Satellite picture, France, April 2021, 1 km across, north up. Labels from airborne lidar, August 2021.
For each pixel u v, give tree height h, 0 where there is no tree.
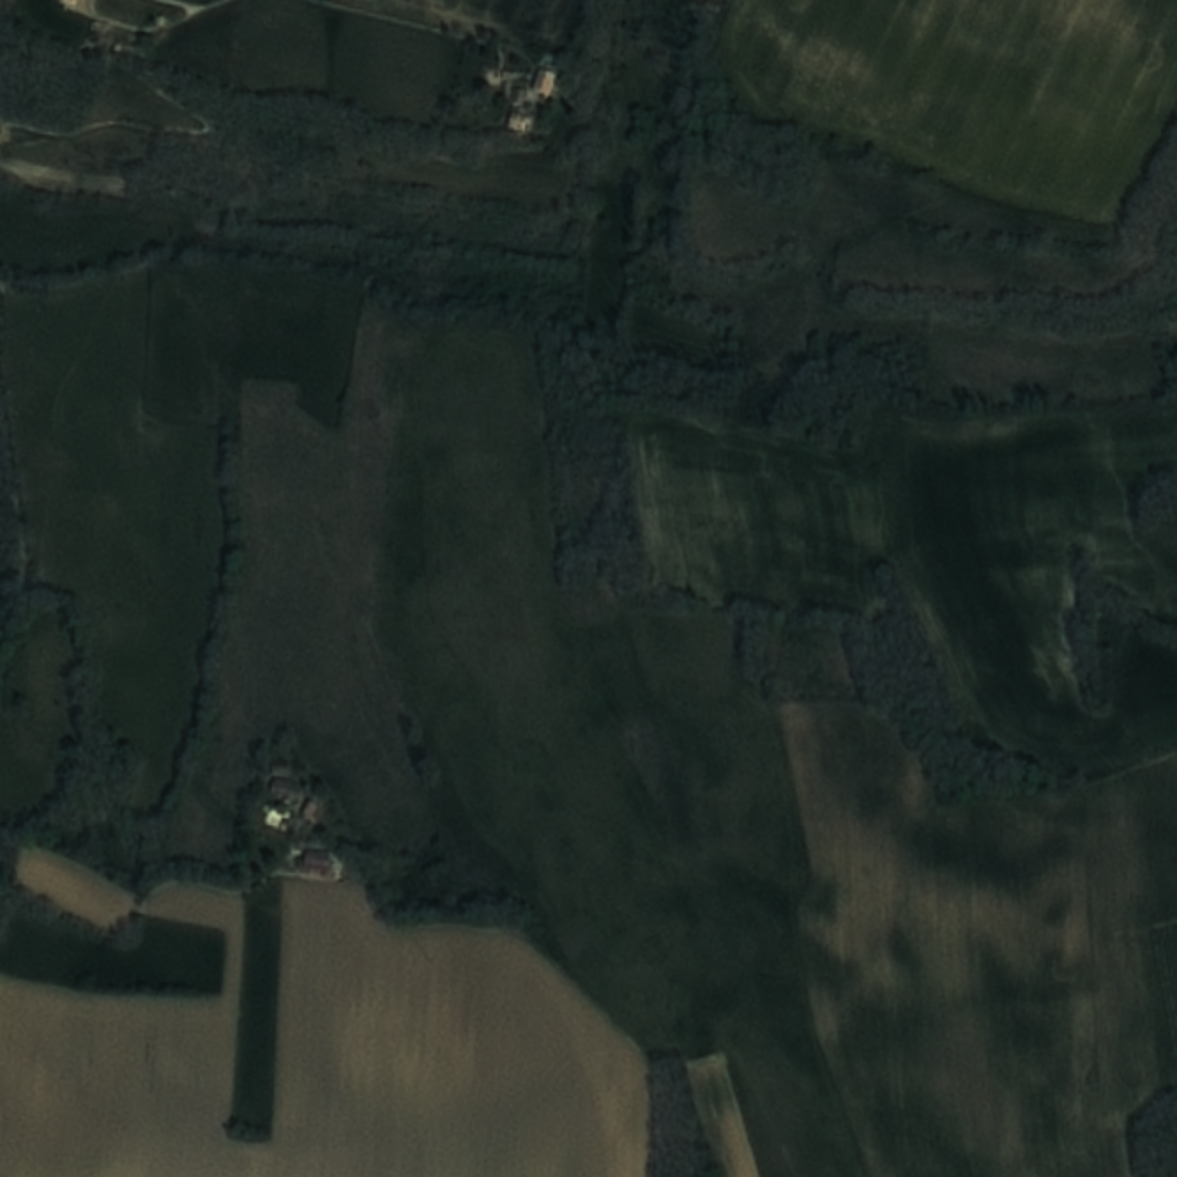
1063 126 0
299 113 23
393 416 0
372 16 0
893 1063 0
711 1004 0
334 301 0
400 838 0
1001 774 23
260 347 0
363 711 0
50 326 0
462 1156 0
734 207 0
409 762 0
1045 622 0
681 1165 19
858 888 0
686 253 21
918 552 0
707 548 0
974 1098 0
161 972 0
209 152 16
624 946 0
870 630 16
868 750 0
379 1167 0
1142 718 0
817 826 0
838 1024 0
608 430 14
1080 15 0
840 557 0
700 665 0
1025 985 0
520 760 0
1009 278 0
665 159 15
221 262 9
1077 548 0
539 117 8
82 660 13
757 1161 0
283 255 6
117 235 0
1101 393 0
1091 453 0
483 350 0
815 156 15
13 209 0
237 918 0
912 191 0
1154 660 0
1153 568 0
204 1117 0
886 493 0
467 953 0
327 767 0
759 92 0
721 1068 0
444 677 0
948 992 0
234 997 0
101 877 14
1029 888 0
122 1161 0
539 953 0
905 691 26
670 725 0
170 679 0
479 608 0
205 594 0
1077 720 0
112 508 0
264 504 0
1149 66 0
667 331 0
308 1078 0
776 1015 0
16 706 9
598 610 0
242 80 0
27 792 0
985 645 0
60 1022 0
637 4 24
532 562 0
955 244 9
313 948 0
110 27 0
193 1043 0
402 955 0
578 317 13
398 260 7
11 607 13
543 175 0
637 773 0
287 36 0
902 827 0
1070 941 0
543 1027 0
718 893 0
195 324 0
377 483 0
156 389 0
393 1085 0
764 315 0
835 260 6
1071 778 8
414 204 13
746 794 0
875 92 0
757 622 16
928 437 0
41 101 22
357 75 0
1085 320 21
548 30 0
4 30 20
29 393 0
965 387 0
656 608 7
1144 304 25
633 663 0
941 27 0
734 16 0
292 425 0
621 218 0
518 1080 0
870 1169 0
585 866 0
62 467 0
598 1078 0
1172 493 20
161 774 0
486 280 9
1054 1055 0
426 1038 0
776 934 0
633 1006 0
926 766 18
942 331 0
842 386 22
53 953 0
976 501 0
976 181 0
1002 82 0
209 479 0
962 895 0
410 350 0
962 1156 0
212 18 0
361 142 26
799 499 0
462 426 0
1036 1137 0
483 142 15
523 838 0
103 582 0
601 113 19
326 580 0
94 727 19
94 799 20
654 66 18
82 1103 0
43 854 17
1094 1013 0
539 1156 0
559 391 9
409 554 0
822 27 0
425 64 0
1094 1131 0
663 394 22
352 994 0
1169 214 19
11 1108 0
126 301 0
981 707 0
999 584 0
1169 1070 0
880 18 0
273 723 0
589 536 15
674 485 0
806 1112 0
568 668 0
